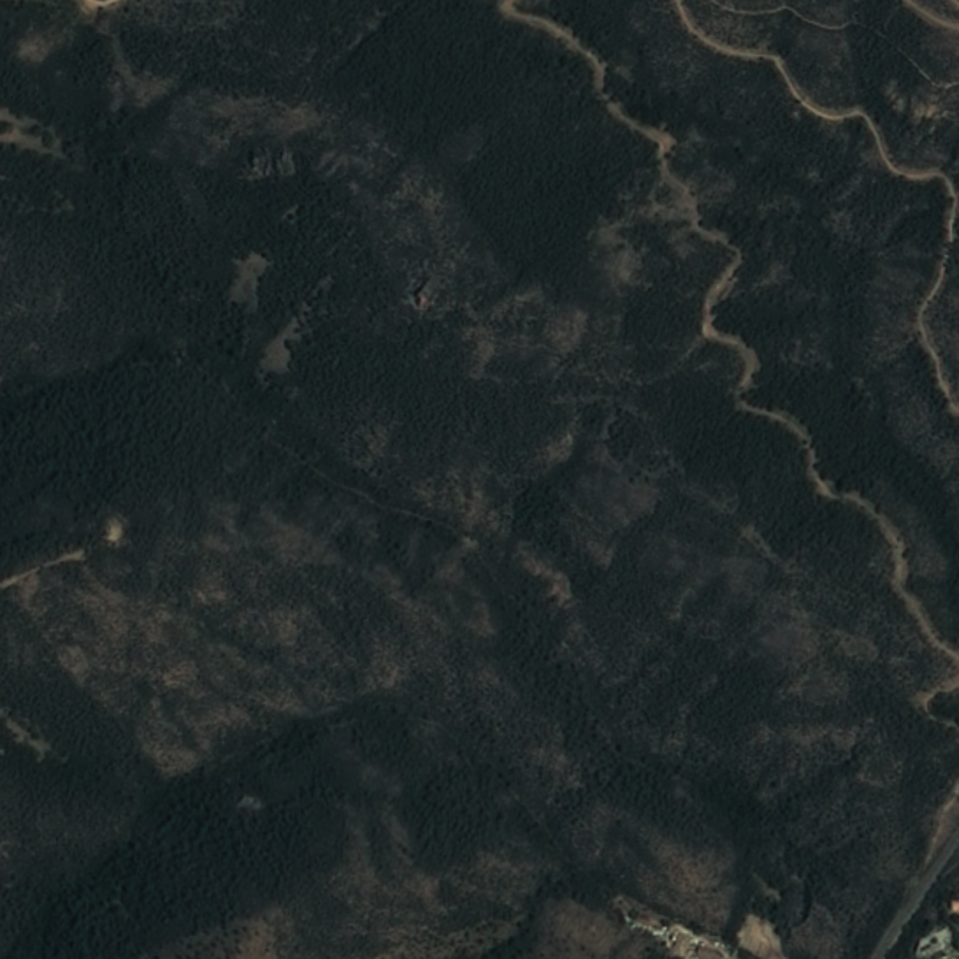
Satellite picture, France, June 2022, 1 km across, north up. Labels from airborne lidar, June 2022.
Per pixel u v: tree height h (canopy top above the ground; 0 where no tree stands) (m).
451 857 8
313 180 9
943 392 8
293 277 8
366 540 6
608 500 0
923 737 8
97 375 14
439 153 9
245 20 6
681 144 6
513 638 8
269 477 7
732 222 15
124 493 10
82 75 11
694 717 7
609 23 7
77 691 8
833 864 15
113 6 0
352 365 7
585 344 7
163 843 9
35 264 9
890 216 9
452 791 15
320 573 9
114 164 17
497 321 7
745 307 11
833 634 7
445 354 7
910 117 11
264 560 6
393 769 5
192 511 8
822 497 14
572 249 9
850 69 7
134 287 10
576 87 9
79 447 12
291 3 9
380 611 6
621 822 8
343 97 10
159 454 10
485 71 11
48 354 12
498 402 7
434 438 11
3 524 10
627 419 10
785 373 14
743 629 7
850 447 13
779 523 11
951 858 0
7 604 8
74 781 15
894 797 6
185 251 10
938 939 0
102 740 10
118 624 0
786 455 11
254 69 9
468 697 8
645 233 8
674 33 7
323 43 9
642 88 14
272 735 7
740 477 8
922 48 7
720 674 9
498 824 10
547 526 9
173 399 10
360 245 11
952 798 0
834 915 10
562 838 6
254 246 11
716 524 8
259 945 0
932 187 7
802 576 6
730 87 9
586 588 10
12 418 5
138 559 6
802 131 8
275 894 9
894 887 8
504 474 8
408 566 10
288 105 8
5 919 12
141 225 9
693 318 8
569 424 8
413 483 11
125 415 12
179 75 8
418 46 10
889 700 13
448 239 6
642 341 9
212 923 8
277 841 9
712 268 7
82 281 6
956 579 7
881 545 6
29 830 9
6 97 10
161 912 11
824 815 8
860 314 9
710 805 9
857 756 13
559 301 8
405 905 6
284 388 12
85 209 8
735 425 11
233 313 9
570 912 0
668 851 0
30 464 13
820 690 0
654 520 8
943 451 7
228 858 11
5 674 8
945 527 7
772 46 8
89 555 7
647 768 8
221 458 9
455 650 8
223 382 14
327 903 6
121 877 7
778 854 6
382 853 8
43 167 16
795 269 10
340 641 8
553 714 12
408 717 15
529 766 9
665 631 7
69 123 8
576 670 11
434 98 9
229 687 8
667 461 9
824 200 10
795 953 6
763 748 6
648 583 6
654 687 8
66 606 8
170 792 10
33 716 11
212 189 12
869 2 8
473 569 9
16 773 9
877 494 8
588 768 9
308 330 12
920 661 8
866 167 6
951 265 10
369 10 9
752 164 9
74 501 9
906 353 7
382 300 8
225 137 6
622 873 6
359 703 8
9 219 10
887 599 7
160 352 9
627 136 10
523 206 12
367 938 7
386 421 10
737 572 0
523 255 11
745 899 8
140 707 6
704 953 0
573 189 13
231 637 7
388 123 8
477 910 9
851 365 9
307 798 11
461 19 11
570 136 8
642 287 7
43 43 0
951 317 6
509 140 8
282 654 12
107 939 13
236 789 10
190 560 6
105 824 7
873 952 7
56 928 13
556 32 0
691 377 7
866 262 12
